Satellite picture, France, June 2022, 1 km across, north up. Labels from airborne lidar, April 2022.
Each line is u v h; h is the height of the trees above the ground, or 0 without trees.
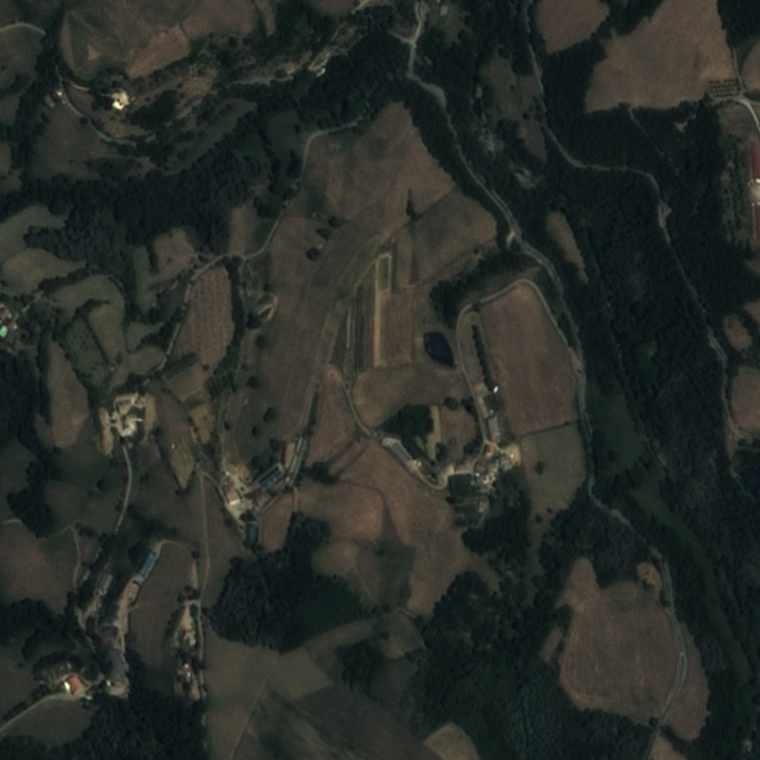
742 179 8
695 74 0
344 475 0
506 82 0
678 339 17
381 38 21
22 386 7
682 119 11
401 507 0
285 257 0
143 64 0
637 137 17
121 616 0
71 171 0
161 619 0
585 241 15
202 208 20
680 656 0
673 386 18
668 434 13
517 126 6
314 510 0
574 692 0
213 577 0
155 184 12
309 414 0
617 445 0
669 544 18
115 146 10
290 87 12
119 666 0
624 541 16
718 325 15
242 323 9
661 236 14
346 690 0
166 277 0
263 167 19
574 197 9
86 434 0
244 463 0
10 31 0
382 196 0
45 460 13
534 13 13
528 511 15
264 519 0
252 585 19
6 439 20
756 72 0
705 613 10
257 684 0
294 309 0
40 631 13
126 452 0
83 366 0
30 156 26
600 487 15
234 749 0
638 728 10
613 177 15
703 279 13
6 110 0
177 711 11
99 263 9
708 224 12
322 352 0
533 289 0
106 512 0
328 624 15
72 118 0
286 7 12
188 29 0
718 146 16
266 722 0
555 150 14
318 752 0
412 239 0
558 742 12
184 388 0
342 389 0
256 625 22
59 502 0
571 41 0
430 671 9
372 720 0
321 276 0
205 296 0
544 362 0
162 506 0
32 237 18
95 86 12
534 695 7
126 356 0
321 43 10
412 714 0
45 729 0
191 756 25
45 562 0
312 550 12
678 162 12
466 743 0
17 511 17
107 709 18
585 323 11
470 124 13
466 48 11
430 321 0
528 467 0
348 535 0
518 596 12
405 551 0
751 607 14
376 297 0
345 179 0
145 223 13
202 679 0
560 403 0
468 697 11
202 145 0
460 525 11
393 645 0
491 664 6
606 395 7
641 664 0
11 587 0
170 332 8
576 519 23
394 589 0
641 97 0
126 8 0
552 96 16
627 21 10
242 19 0
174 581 0
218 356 0
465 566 0
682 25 0
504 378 0
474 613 17
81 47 0
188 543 0
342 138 0
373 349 0
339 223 13
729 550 20
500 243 10
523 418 0
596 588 0
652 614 0
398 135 0
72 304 0
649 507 0
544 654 0
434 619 8
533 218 14
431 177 0
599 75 0
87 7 0
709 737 10
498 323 0
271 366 0
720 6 10
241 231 0
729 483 11
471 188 10
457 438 0
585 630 0
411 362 0
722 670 17
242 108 0
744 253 14
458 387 0
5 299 12
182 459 0
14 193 10
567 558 16
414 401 0
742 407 0
